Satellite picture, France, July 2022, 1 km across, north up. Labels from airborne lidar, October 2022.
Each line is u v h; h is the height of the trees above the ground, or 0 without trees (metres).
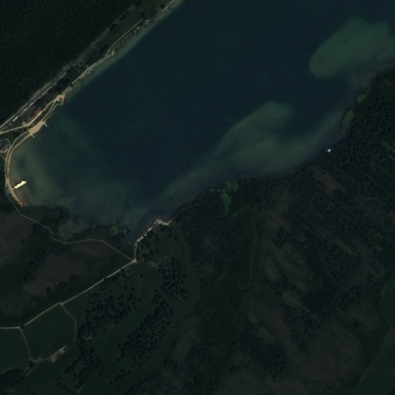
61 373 0
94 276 0
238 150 0
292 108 0
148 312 0
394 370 0
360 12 0
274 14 0
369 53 0
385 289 0
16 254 0
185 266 0
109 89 0
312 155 0
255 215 0
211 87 0
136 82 0
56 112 0
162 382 6
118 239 0
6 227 0
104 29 9
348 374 0
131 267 0
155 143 0
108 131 0
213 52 0
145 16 22
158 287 0
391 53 0
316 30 0
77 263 0
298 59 0
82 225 0
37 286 0
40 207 0
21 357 0
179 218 8
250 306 0
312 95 0
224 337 0
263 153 0
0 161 0
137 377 0
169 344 0
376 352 0
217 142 0
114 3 17
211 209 8
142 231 0
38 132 0
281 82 0
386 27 0
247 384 0
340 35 0
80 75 0
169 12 0
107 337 0
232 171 0
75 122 0
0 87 21
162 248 0
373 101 0
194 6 0
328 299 14
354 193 8
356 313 0
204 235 6
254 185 7
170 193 0
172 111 0
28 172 0
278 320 0
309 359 0
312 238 10
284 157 0
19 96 20
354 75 0
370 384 0
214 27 0
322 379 0
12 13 20
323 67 0
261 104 0
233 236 8
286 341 0
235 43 0
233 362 0
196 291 0
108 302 15
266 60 0
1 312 0
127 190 0
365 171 10
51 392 0
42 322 0
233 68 0
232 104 0
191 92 0
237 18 0
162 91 0
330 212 12
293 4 0
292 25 0
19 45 16
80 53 14
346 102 0
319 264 14
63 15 18
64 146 0
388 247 10
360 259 8
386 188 12
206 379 0
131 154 0
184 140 0
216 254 7
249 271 0
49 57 17
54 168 0
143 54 0
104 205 0
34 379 0
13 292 0
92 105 0
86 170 0
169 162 0
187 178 0
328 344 0
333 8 0
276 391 0
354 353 0
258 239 0
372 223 7
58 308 0
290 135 0
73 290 0
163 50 0
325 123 0
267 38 0
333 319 0
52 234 0
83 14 16
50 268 0
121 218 0
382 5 0
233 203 0
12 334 0
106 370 0
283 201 0
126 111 0
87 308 0
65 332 0
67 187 0
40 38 17
